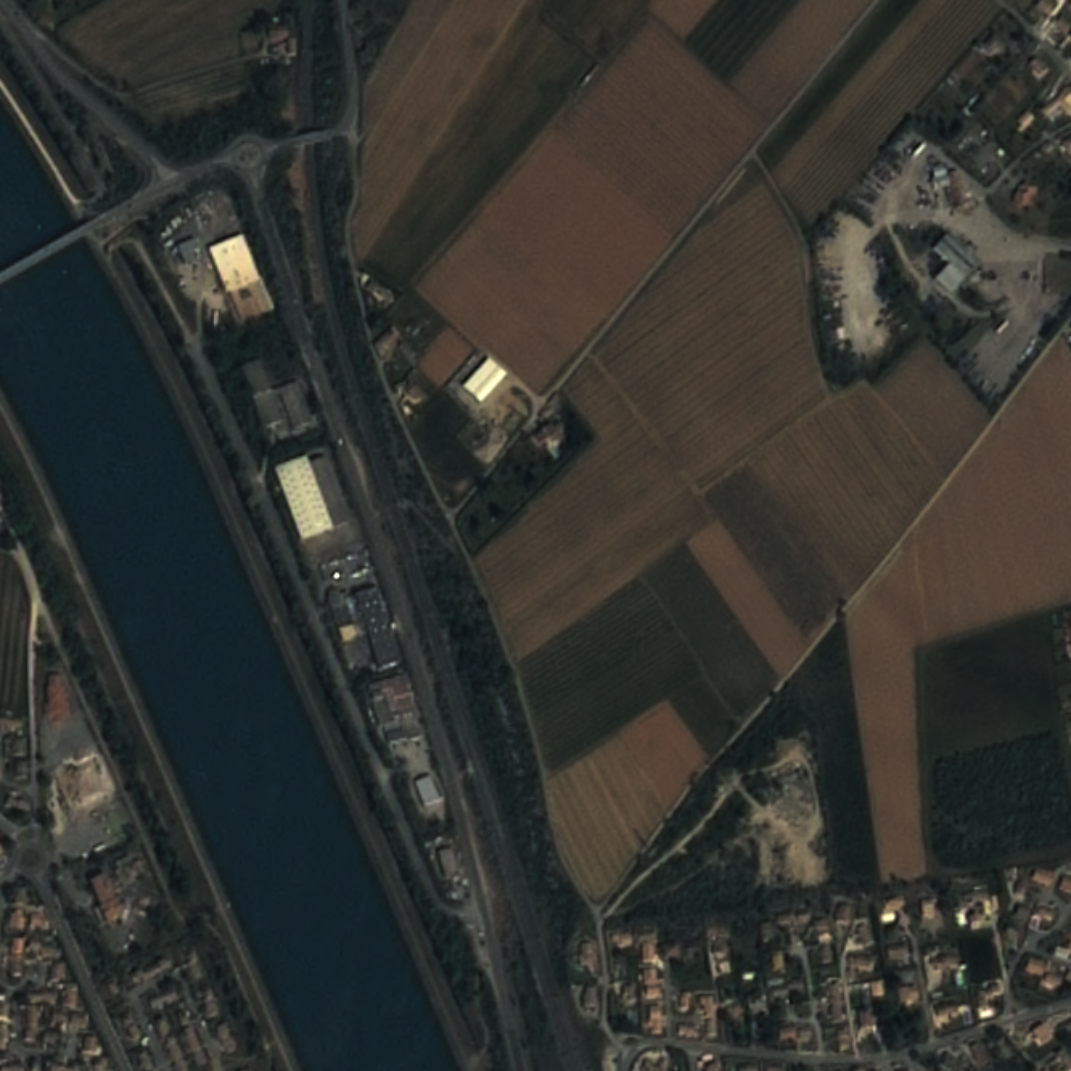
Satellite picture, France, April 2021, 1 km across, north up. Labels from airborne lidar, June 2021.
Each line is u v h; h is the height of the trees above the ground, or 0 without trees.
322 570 0
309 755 0
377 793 15
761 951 6
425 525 11
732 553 0
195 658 0
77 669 10
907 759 0
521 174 0
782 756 0
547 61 0
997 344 0
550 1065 0
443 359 0
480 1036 0
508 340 0
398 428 7
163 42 0
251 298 0
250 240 9
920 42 0
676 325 0
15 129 0
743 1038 8
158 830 8
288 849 0
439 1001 0
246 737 0
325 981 0
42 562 16
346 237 0
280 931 0
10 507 16
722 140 0
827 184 0
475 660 11
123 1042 6
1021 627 0
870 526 0
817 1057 0
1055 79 0
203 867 0
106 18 0
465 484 0
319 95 9
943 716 0
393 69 0
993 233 0
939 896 8
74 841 0
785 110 0
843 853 0
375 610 0
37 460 0
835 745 0
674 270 0
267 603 0
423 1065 0
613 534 0
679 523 0
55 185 0
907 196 0
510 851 0
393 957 0
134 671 0
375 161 0
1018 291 0
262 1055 10
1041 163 0
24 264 0
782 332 0
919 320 0
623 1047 0
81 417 0
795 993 8
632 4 0
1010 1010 0
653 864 0
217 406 9
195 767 0
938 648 0
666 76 0
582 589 0
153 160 0
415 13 0
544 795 0
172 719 0
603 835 0
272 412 0
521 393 0
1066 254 9
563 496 0
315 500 0
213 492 0
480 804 0
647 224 0
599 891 0
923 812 0
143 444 0
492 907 0
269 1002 0
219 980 10
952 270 0
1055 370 0
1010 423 0
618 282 0
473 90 0
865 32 0
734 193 0
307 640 8
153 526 0
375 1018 0
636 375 0
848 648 0
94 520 0
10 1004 6
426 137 0
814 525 0
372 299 6
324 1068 0
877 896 8
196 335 0
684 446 0
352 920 0
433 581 15
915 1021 14
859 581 0
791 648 0
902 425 0
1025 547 0
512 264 0
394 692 0
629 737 0
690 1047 0
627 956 8
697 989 0
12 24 0
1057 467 0
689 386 0
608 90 0
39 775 6
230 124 12
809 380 0
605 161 0
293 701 0
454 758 0
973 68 0
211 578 0
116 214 0
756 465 0
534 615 0
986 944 0
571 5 0
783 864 0
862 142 0
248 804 0
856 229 0
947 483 0
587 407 0
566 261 0
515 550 0
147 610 0
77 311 0
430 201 0
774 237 0
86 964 0
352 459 0
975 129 0
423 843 6
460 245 0
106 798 0
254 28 14
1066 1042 10
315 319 8
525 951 7
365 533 0
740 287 0
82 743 0
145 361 0
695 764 0
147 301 15
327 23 8
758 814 0
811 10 0
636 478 0
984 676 0
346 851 0
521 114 0
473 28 0
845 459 0
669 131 0
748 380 0
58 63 0
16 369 0
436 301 0
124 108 13
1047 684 0
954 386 0
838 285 0
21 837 0
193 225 0
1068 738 0
